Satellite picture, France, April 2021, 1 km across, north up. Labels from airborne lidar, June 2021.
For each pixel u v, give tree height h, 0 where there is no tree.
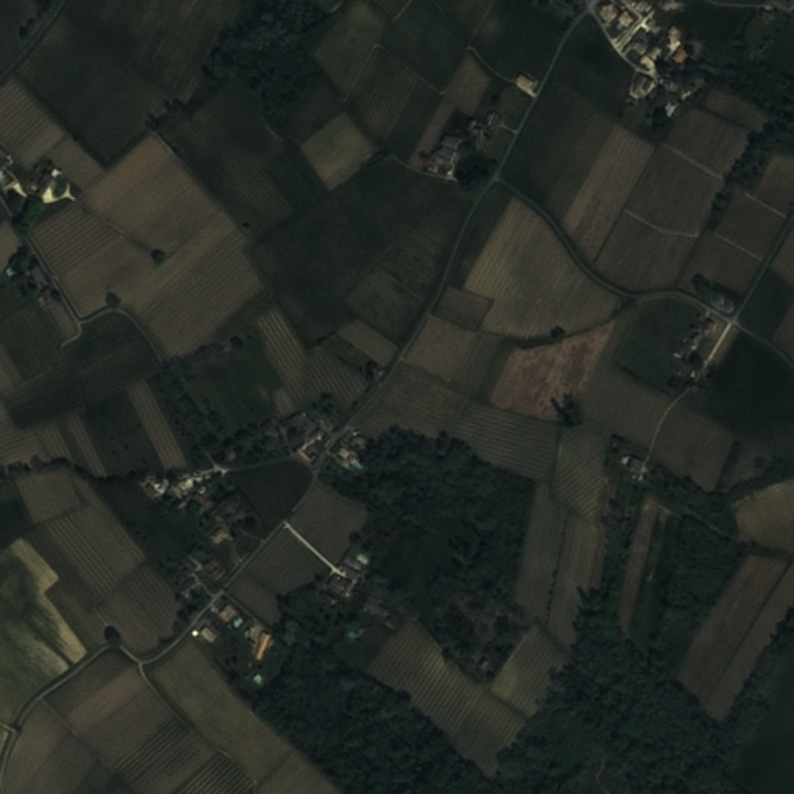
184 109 17
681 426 0
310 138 0
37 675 0
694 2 0
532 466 0
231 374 0
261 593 0
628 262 0
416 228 0
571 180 0
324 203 0
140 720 0
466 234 0
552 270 0
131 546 0
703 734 23
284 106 15
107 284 0
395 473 13
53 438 0
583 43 0
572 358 0
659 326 0
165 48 0
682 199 0
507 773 19
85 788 0
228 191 0
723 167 0
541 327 0
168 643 13
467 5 0
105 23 0
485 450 0
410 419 0
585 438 0
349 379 0
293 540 0
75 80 0
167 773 0
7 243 0
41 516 0
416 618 15
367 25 0
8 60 0
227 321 0
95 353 0
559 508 0
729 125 0
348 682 30
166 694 0
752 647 0
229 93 0
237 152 0
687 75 12
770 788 0
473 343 0
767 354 0
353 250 0
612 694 23
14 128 0
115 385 0
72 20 0
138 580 0
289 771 0
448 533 0
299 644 14
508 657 10
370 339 0
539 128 0
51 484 0
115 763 0
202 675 0
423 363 0
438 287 0
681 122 0
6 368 0
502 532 10
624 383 0
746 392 0
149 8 0
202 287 0
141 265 0
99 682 0
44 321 0
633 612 0
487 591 9
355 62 0
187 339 0
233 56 10
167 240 0
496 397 0
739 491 7
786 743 0
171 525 0
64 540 0
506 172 0
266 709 23
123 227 0
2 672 0
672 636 8
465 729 0
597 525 0
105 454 0
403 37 0
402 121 0
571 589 0
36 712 0
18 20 0
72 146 0
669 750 23
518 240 0
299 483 0
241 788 0
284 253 0
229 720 0
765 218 0
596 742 12
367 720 17
